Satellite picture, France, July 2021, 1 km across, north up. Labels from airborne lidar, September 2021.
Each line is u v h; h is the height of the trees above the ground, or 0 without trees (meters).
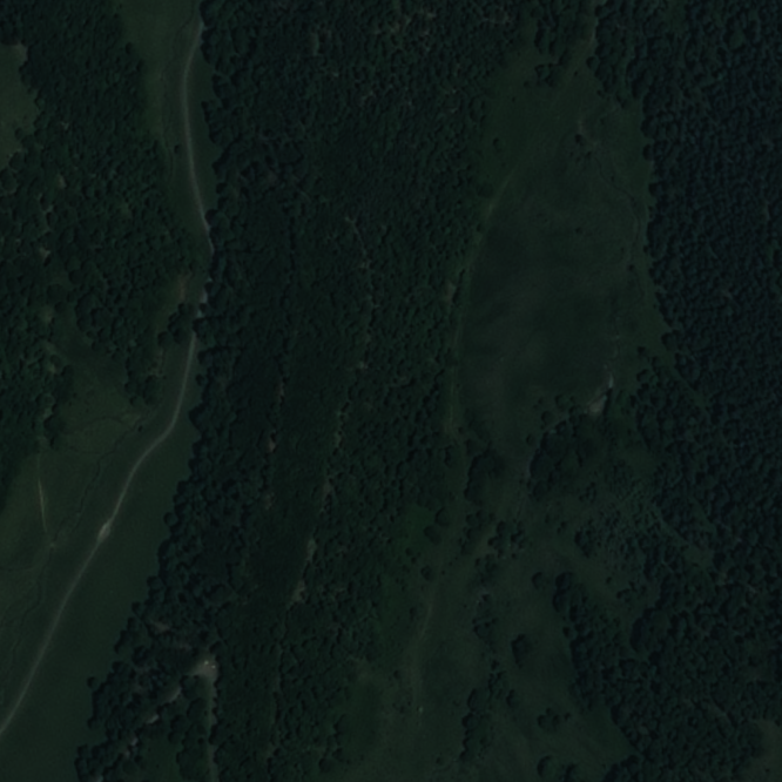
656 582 18
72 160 20
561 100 0
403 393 29
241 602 7
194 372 0
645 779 28
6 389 16
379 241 18
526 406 0
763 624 28
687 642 27
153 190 28
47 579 0
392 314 24
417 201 13
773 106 27
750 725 22
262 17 11
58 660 0
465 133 19
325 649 25
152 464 0
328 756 12
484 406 0
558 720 10
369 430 26
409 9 27
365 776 0
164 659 7
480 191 18
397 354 26
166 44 0
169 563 25
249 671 24
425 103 16
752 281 20
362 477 25
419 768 0
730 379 24
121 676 18
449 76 25
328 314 19
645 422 28
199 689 18
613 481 8
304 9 8
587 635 31
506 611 0
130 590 0
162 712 16
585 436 25
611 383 0
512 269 0
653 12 22
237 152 25
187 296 0
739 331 22
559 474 16
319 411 17
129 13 0
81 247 22
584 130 0
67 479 0
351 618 28
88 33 20
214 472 26
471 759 21
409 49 17
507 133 0
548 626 0
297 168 25
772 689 25
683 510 23
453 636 0
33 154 12
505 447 0
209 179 0
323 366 13
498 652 7
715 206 18
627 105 15
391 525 24
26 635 0
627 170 0
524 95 0
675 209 28
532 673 0
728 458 21
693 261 23
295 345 21
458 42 26
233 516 29
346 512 27
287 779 24
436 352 24
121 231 27
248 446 8
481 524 6
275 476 22
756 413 14
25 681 0
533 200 0
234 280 29
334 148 14
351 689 19
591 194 0
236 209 24
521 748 0
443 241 25
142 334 19
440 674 0
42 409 24
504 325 0
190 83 0
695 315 27
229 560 9
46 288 16
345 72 24
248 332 11
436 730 0
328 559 10
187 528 23
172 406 0
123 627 0
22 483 0
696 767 21
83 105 20
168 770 0
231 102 28
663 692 32
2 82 0
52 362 18
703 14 17
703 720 27
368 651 21
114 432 0
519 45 23
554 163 0
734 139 23
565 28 27
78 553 0
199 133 0
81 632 0
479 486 17
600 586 0
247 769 25
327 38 27
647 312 0
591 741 0
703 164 25
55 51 17
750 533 17
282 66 11
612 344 0
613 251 0
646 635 32
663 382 18
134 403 12
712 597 29
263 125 14
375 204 20
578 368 0
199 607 10
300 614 18
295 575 19
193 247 24
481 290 0
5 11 24
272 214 12
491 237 0
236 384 15
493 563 8
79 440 0
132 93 28
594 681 31
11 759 0
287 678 27
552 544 0
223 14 26
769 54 26
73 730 0
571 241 0
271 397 14
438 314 24
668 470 14
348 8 19
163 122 0
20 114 0
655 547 25
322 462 22
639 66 24
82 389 0
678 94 24
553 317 0
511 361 0
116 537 0
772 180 18
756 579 32
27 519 0
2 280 27
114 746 20
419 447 28
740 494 25
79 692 0
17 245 16
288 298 19
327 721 24
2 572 0
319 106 24
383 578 24
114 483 0
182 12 0
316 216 23
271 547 14
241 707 16
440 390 27
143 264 22
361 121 24
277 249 9
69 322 0
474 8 27
